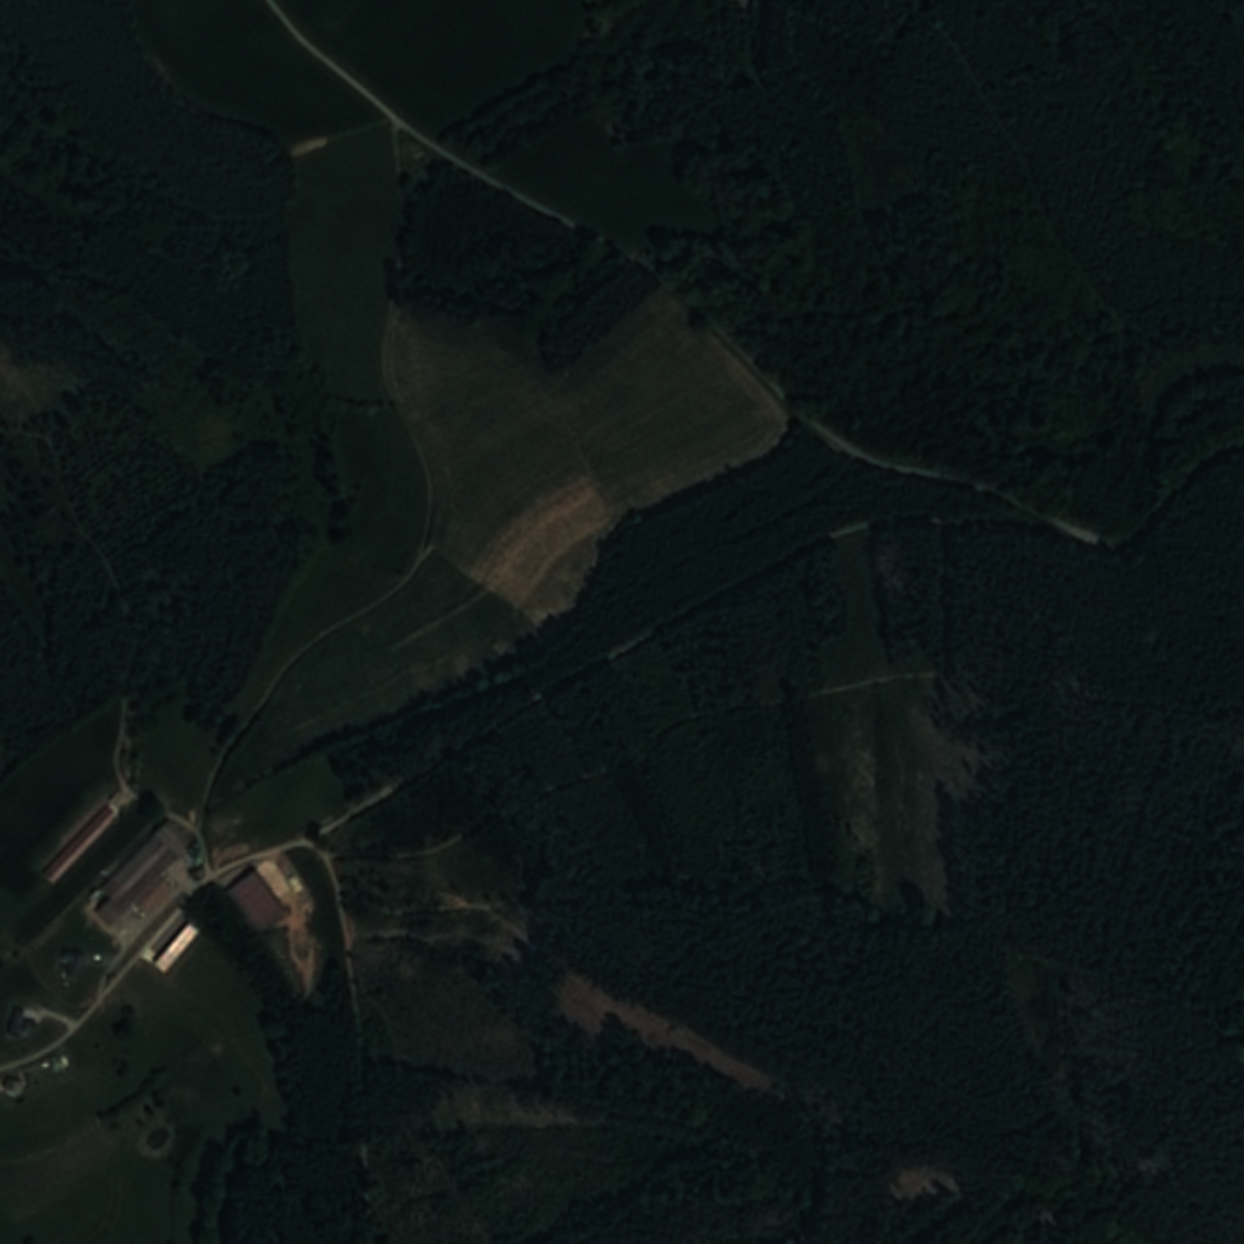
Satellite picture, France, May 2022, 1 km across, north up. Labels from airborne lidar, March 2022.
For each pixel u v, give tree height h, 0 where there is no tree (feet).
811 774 34
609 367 0
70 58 55
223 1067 0
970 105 20
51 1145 0
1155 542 49
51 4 56
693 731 21
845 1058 78
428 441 0
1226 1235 92
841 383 66
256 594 90
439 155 0
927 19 19
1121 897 90
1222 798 67
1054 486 83
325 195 0
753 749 20
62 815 0
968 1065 78
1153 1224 94
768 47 71
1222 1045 81
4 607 66
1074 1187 60
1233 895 82
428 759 71
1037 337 53
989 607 84
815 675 20
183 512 47
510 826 25
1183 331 58
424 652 0
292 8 0
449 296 69
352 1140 95
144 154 57
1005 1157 62
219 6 0
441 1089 57
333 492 112
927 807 0
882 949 67
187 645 61
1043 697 68
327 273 0
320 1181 62
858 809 0
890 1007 76
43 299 99
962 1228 68
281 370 44
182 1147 0
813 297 31
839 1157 92
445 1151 35
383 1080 63
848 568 0
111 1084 0
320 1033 46
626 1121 74
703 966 76
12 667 77
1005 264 31
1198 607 39
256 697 0
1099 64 95
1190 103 86
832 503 48
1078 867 89
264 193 56
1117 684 76
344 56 0
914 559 83
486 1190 24
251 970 51
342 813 0
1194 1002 83
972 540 86
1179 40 80
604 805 19
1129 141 24
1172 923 84
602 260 59
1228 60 66
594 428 0
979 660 82
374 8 0
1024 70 41
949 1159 83
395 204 0
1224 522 46
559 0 0
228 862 0
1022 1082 79
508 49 0
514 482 0
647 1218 86
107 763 0
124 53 54
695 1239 73
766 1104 21
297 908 0
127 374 73
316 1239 29
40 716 77
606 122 0
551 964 81
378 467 0
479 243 52
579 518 0
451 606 0
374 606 0
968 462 56
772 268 44
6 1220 0
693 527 42
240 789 0
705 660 53
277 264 40
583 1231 84
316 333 0
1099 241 23
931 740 0
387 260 0
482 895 0
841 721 0
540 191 0
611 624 46
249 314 59
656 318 0
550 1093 75
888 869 0
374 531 0
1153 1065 83
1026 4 61
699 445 0
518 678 31
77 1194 0
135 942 0
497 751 90
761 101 81
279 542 86
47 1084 0
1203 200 58
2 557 0
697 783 24
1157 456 85
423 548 0
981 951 69
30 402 0
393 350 0
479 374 0
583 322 80
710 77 80
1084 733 96
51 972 0
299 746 0
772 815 23
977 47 27
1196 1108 85
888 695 0
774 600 81
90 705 43
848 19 72
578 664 47
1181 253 20
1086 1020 69
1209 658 45
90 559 25
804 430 42
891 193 0
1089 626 71
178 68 0
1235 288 24
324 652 0
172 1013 0
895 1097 75
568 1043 80
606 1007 0
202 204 73
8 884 0
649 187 0
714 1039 79
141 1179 0
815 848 34
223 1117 0
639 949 75
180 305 52
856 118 18
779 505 50
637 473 0
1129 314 28
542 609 0
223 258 81
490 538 0
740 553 43
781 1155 22
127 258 49
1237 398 77
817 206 61
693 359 0
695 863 24
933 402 58
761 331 22
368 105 0
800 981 90
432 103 0
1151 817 75
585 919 85
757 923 84
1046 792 86
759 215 60
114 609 51
